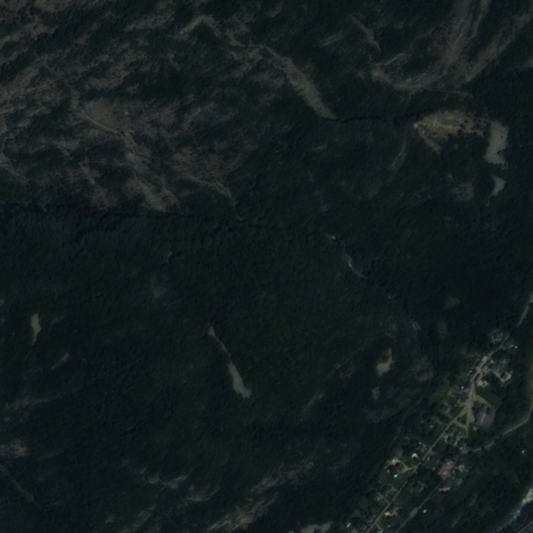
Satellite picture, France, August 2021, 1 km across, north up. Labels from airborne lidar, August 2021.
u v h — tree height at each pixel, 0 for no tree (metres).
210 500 18
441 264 12
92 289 24
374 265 24
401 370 13
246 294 24
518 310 8
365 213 19
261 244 26
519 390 6
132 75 14
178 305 13
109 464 17
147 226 6
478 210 17
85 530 17
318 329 23
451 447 12
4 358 16
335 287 17
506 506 17
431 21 17
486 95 9
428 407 10
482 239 19
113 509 12
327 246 26
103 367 29
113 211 17
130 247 21
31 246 24
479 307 17
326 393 10
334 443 13
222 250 30
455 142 17
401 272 16
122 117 8
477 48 11
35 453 15
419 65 15
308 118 16
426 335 10
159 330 30
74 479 18
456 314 17
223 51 10
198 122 7
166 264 11
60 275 18
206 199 15
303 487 14
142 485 11
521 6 12
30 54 16
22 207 33
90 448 19
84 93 6
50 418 18
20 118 11
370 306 21
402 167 12
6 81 10
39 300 17
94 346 14
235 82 13
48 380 16
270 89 9
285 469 10
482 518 10
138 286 18
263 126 12
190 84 14
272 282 21
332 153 13
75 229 19
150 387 13
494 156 0
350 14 14
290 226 24
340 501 9
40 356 18
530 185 12
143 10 10
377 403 13
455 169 16
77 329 24
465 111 7
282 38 14
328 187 9
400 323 10
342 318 17
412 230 21
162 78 22
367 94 15
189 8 19
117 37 7
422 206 20
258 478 9
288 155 15
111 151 16
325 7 18
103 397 21
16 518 12
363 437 14
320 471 6
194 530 13
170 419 25
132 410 18
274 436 23
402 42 14
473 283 22
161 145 15
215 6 21
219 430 21
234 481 13
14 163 13
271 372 23
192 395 15
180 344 27
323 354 22
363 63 15
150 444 12
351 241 18
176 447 17
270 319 30
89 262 18
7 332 20
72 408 22
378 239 18
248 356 27
